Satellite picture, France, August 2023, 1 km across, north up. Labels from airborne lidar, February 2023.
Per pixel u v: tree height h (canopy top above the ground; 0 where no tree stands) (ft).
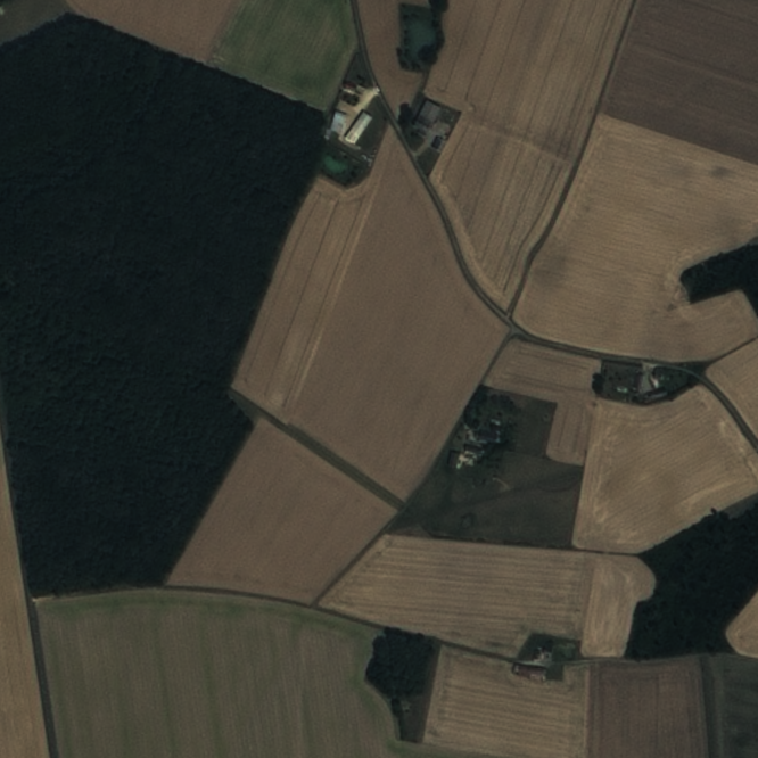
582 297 0
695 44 0
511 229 0
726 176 0
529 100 0
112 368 34
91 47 75
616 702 0
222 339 59
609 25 0
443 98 0
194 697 0
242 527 0
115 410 28
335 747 0
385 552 0
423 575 0
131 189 78
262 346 0
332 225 0
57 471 58
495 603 0
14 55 73
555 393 0
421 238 0
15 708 0
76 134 40
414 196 0
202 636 0
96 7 0
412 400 0
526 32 0
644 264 0
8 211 70
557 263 0
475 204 0
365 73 0
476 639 0
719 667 0
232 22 0
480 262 0
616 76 0
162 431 26
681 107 0
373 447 0
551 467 0
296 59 0
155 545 73
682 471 0
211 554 0
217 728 0
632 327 0
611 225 0
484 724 0
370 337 0
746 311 0
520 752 0
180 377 38
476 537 0
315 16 0
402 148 0
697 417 0
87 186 72
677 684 0
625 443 0
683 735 0
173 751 0
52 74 82
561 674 0
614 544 0
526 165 0
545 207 0
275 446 0
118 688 0
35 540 68
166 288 62
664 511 0
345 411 0
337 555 0
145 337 73
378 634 0
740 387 0
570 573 0
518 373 0
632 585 0
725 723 0
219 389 28
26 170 40
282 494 0
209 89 71
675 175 0
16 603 0
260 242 69
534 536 0
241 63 0
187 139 68
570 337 0
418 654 64
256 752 0
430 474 0
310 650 0
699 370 0
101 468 63
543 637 0
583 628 0
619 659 0
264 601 0
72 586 55
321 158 59
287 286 0
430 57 56
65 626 0
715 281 49
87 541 83
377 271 0
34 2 0
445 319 0
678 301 0
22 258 51
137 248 62
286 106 65
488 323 0
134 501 71
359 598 0
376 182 0
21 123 82
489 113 0
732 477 0
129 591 0
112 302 77
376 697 0
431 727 0
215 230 72
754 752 0
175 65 68
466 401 0
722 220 0
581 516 0
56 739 0
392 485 0
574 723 0
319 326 0
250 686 0
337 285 0
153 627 0
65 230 78
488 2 0
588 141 0
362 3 0
